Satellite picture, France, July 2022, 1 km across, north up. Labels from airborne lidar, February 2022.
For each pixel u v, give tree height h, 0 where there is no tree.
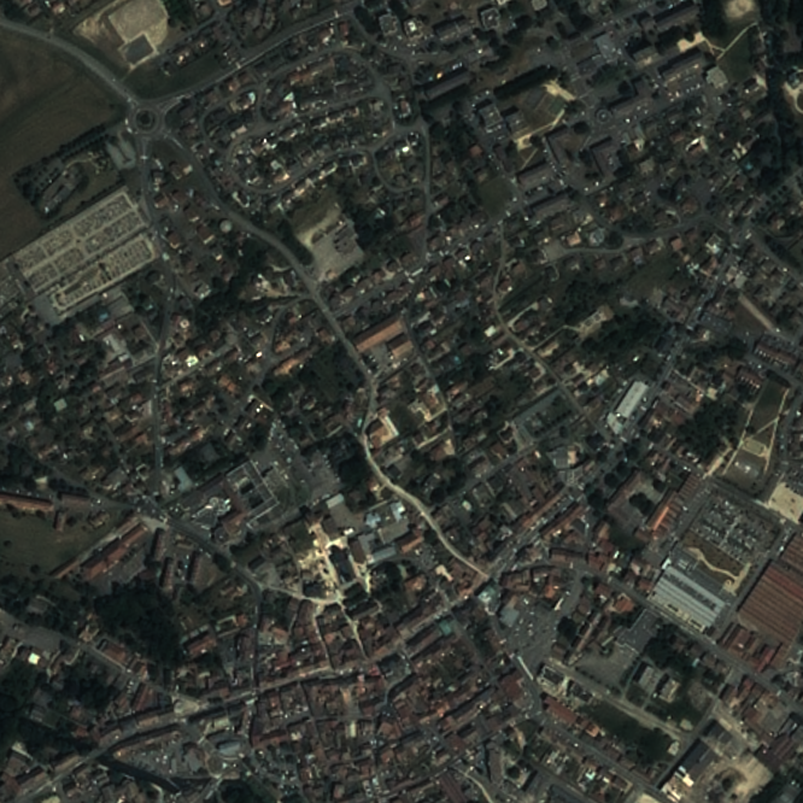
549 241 0
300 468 0
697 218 0
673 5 0
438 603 0
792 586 0
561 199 0
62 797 0
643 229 12
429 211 0
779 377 14
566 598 0
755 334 0
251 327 0
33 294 0
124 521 0
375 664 0
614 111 0
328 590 0
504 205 0
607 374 0
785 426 0
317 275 0
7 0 7
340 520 0
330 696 0
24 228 0
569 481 0
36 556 0
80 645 0
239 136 0
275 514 0
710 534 0
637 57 0
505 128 0
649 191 0
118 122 0
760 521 0
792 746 0
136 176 0
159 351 0
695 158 0
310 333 0
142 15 0
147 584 12
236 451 0
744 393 13
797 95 0
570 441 0
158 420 0
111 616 22
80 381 8
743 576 0
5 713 13
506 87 9
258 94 0
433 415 0
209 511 0
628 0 0
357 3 0
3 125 0
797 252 0
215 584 0
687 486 0
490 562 0
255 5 8
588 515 0
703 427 9
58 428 0
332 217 0
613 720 0
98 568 0
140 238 0
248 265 6
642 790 0
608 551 0
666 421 0
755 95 0
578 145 0
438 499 15
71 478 0
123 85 0
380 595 11
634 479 0
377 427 0
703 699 0
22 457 16
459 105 14
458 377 7
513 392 0
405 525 0
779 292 0
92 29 0
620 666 0
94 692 15
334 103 0
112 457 6
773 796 7
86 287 0
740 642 0
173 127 0
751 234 0
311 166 0
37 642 0
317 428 15
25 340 9
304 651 0
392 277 0
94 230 0
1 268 0
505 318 0
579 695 0
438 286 10
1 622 0
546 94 0
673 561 0
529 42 0
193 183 0
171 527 0
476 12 0
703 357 7
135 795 0
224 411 15
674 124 6
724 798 0
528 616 0
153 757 0
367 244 16
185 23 10
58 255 0
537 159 0
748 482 0
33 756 18
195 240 0
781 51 25
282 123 0
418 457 15
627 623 8
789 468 0
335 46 0
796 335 0
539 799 0
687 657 8
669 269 0
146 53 0
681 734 0
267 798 10
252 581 0
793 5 9
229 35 0
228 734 0
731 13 0
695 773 0
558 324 0
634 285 0
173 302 0
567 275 0
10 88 0
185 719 0
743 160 7
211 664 9
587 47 0
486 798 0
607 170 0
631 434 0
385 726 0
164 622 18
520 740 0
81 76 0
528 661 0
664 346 0
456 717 0
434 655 0
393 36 0
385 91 0
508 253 0
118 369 0
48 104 0
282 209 0
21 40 0
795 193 0
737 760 0
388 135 0
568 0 15
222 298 7
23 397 8
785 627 0
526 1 0
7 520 0
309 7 0
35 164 0
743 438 0
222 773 0
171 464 10
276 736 0
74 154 6
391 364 0
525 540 0
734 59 0
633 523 0
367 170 0
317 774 0
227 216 0
